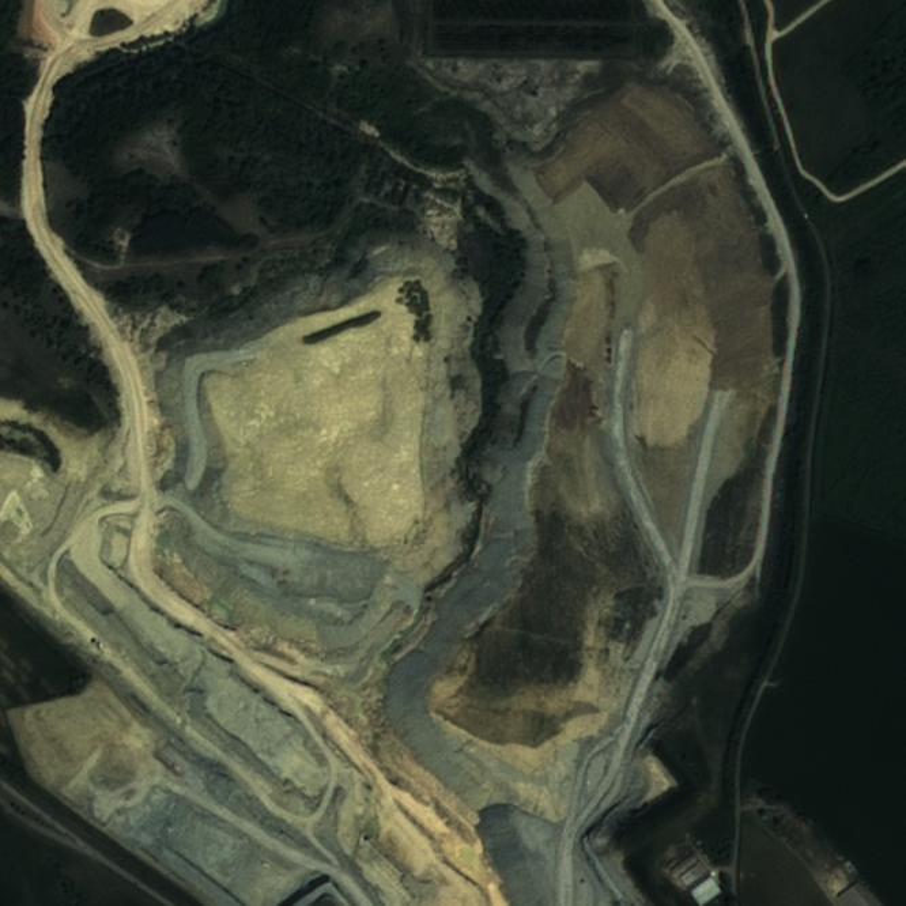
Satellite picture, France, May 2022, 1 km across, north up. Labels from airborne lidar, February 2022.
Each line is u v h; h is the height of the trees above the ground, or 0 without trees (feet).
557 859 0
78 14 0
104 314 0
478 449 0
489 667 0
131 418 0
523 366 0
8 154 43
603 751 0
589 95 0
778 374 0
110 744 0
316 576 0
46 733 0
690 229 0
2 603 0
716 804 0
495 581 0
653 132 0
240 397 0
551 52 0
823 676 0
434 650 0
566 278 0
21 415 0
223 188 0
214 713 0
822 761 0
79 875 0
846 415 0
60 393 0
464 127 0
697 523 0
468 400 0
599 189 0
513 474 0
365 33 0
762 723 0
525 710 0
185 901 0
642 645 0
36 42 0
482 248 0
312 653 0
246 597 0
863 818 0
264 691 0
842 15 0
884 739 0
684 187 0
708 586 0
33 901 0
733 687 0
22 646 0
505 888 0
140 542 0
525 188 0
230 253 0
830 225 0
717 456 0
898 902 0
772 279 0
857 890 0
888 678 0
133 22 0
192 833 0
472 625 0
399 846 0
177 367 0
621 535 0
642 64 0
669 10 0
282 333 0
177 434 0
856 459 0
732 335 0
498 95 0
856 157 18
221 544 0
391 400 0
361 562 0
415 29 0
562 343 0
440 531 0
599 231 0
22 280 27
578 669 0
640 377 0
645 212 0
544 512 0
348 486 0
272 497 0
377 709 0
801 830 0
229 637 0
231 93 39
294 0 48
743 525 0
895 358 0
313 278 0
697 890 0
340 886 0
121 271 0
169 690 0
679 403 0
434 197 0
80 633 0
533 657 0
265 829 0
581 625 0
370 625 0
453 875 0
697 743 0
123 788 0
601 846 0
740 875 0
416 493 0
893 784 0
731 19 26
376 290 0
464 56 0
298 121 22
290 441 0
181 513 0
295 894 0
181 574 0
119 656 0
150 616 0
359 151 24
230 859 0
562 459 0
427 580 0
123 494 0
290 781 0
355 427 0
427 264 0
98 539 0
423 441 0
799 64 0
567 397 0
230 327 0
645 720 0
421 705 0
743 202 0
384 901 0
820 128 0
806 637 0
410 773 0
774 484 0
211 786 0
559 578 0
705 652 0
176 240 38
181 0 0
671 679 0
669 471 0
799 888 0
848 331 0
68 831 0
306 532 0
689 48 0
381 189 26
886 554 0
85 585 0
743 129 0
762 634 0
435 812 0
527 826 0
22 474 0
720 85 0
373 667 0
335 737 0
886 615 0
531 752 0
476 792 0
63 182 0
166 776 0
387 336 0
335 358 0
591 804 0
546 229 0
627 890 0
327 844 0
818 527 0
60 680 0
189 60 32
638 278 0
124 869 0
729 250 0
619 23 0
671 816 0
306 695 0
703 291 0
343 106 40
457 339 0
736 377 0
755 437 0
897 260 0
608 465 0
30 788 0
